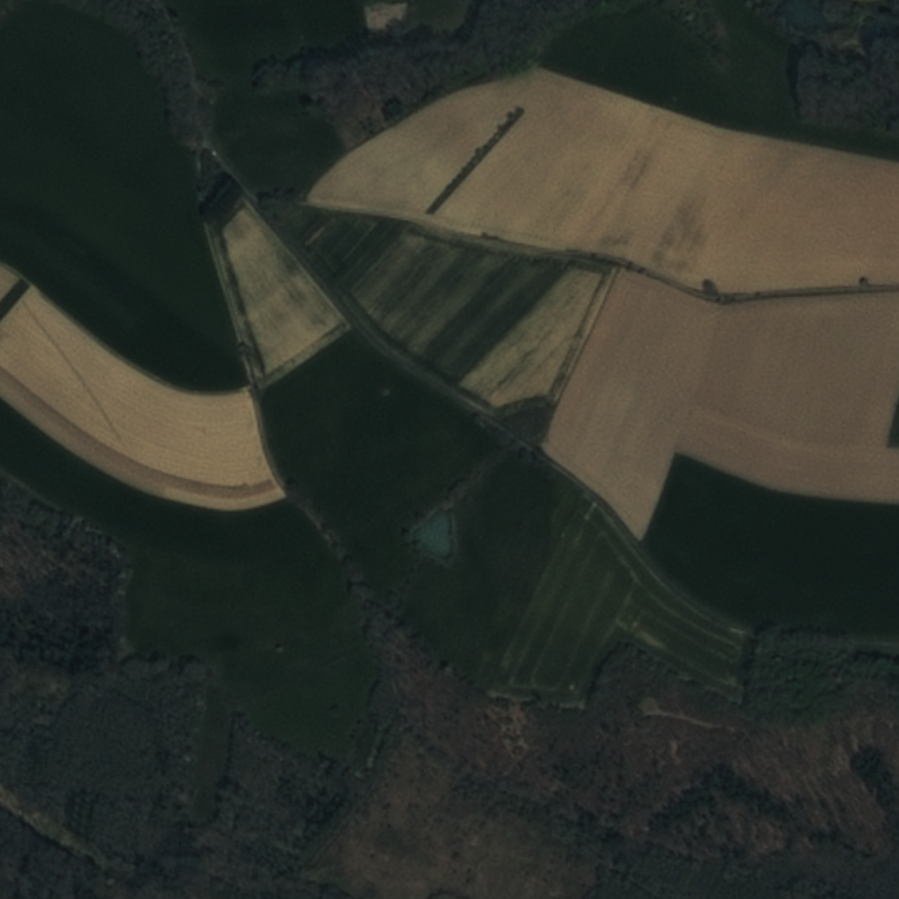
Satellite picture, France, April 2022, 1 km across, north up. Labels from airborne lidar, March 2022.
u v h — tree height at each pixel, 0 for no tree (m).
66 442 0
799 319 0
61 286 0
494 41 33
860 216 0
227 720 0
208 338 0
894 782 20
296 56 0
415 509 0
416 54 24
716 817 15
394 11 0
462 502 0
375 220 0
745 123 0
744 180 0
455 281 0
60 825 18
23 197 0
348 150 0
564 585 0
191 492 0
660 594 0
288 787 13
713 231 0
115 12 22
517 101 0
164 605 0
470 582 0
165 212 0
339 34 0
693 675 0
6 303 0
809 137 0
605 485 0
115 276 0
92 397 0
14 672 19
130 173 0
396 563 0
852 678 21
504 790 16
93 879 25
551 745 9
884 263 0
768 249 0
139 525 0
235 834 13
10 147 0
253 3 0
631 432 0
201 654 0
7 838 29
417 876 0
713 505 0
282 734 0
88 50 0
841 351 0
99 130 0
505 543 0
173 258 0
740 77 0
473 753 8
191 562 0
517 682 0
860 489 0
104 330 0
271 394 0
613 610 0
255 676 0
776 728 22
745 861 25
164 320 0
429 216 0
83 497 0
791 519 0
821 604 0
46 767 16
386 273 0
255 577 0
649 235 0
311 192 0
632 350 0
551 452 0
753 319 0
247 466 0
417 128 0
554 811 15
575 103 0
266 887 15
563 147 0
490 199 0
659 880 21
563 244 0
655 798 25
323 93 34
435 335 0
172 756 13
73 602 25
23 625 23
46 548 25
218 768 0
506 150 0
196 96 25
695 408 0
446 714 19
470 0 0
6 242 0
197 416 0
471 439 0
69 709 13
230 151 0
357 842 0
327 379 0
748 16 0
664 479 0
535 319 0
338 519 0
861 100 33
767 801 18
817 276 0
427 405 0
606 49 0
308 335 0
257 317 0
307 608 0
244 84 0
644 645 0
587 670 0
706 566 0
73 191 0
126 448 0
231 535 0
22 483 0
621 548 0
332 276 0
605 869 12
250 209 0
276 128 0
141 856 20
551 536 0
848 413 0
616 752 7
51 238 0
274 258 0
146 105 0
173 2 0
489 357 0
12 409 0
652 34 0
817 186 0
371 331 0
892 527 0
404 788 0
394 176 0
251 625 0
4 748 21
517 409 0
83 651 14
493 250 0
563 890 0
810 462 0
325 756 0
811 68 33
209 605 0
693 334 0
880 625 0
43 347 0
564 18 30
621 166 0
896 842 16
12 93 0
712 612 0
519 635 0
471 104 0
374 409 0
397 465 0
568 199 0
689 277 0
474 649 0
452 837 0
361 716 0
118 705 15
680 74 0
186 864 29
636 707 9
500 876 0
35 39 0
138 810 19
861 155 0
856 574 0
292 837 17
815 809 20
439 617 0
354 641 0
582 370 0
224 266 0
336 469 0
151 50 23
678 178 0
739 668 0
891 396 0
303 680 0
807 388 0
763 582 0
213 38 0
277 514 0
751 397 0
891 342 0
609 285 0
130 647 10
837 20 29
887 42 21
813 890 19
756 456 0
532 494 0
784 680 17
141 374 0
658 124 0
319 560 0
